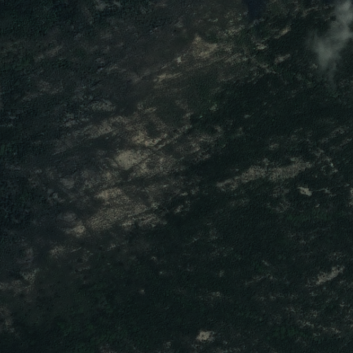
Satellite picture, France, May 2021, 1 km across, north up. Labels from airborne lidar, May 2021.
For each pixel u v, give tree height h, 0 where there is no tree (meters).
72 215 0
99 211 0
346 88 12
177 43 0
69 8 10
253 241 10
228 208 7
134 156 0
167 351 6
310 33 9
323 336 7
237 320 7
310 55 6
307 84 8
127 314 14
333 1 8
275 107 6
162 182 0
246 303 6
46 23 8
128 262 9
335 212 7
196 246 8
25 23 7
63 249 0
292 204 7
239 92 10
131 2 7
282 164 7
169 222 7
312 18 8
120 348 8
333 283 12
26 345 6
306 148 9
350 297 10
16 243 7
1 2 9
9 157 7
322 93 8
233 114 12
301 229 9
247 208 13
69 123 0
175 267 6
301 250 8
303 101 9
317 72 6
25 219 7
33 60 9
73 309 9
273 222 9
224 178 7
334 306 7
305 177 12
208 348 6
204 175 7
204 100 11
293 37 9
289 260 6
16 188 11
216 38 9
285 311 8
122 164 0
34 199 11
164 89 0
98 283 8
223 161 8
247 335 7
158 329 9
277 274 8
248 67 6
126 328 6
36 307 9
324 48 7
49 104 7
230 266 7
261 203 12
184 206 6
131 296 7
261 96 7
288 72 9
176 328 7
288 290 12
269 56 10
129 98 0
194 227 6
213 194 6
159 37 0
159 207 6
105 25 7
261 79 7
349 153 8
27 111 8
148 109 0
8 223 7
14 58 7
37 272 0
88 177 0
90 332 8
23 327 7
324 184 8
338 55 11
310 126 9
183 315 9
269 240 9
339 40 10
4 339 7
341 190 10
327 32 7
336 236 9
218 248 6
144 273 6
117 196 0
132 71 0
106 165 0
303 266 7
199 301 10
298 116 14
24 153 6
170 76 0
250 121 10
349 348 7
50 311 7
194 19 0
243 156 11
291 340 8
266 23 8
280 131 11
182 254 6
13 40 8
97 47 0
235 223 8
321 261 9
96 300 8
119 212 0
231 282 7
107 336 12
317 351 7
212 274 6
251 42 9
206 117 7
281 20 8
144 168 0
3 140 10
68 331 14
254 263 15
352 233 8
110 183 0
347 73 8
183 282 7
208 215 9
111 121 0
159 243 6
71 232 0
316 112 13
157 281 10
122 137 0
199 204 7
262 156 7
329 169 7
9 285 0
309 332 9
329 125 7
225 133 9
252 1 8
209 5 0
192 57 0
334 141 10
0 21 7
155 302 7
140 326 11
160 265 8
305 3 10
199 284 7
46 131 8
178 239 6
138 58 0
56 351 6
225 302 9
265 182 9
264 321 11
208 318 7
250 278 7
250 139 8
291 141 10
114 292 8
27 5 7
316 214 18
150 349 8
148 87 0
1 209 9
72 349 15
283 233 7
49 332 12
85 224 0
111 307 12
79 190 0
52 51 0
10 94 7
